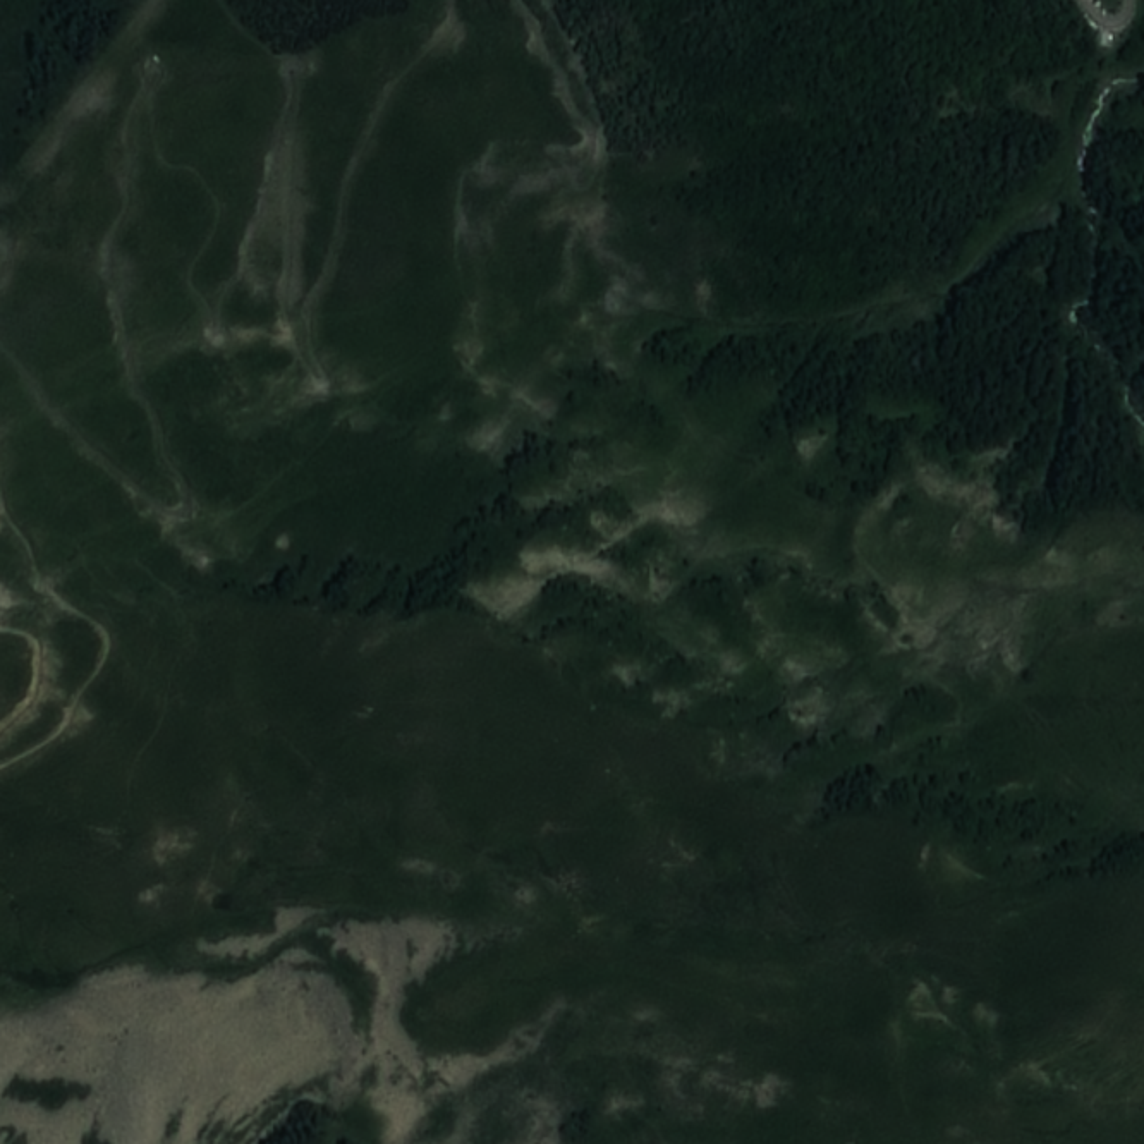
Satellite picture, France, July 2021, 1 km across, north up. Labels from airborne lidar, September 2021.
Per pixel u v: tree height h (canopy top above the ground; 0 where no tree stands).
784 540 0
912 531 0
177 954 0
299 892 0
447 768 0
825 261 9
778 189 10
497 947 0
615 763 0
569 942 0
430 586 10
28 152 0
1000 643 0
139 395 0
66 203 0
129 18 0
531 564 0
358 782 0
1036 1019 0
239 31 0
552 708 0
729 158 6
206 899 0
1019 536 0
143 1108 0
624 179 0
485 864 0
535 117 0
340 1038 0
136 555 0
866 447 6
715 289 7
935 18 18
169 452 0
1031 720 0
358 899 0
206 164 0
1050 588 0
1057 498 15
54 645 0
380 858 0
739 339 17
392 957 0
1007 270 17
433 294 0
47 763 0
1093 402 20
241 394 0
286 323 0
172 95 0
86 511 0
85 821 0
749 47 9
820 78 15
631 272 0
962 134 9
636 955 0
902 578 0
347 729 0
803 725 0
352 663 0
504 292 0
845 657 0
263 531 0
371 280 0
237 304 0
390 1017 0
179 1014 0
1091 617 0
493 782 0
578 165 0
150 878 0
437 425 0
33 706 0
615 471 0
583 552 0
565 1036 0
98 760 0
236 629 0
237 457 0
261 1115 0
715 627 0
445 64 0
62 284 0
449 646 0
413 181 0
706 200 9
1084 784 0
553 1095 0
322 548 0
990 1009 0
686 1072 0
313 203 0
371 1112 0
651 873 0
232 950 0
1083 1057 0
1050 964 0
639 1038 0
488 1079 0
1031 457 23
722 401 0
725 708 0
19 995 0
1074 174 0
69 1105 0
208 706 0
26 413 0
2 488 0
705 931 0
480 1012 0
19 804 0
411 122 0
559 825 0
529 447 13
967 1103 0
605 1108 0
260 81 0
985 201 24
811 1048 0
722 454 0
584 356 0
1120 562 0
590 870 0
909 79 14
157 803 0
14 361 0
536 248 0
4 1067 0
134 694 0
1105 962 0
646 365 0
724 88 8
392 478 0
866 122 14
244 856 0
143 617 0
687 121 9
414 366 0
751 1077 0
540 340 0
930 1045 0
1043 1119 0
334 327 0
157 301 0
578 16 11
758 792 0
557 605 0
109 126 0
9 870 0
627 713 0
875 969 0
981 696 0
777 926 0
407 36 0
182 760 0
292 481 0
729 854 0
